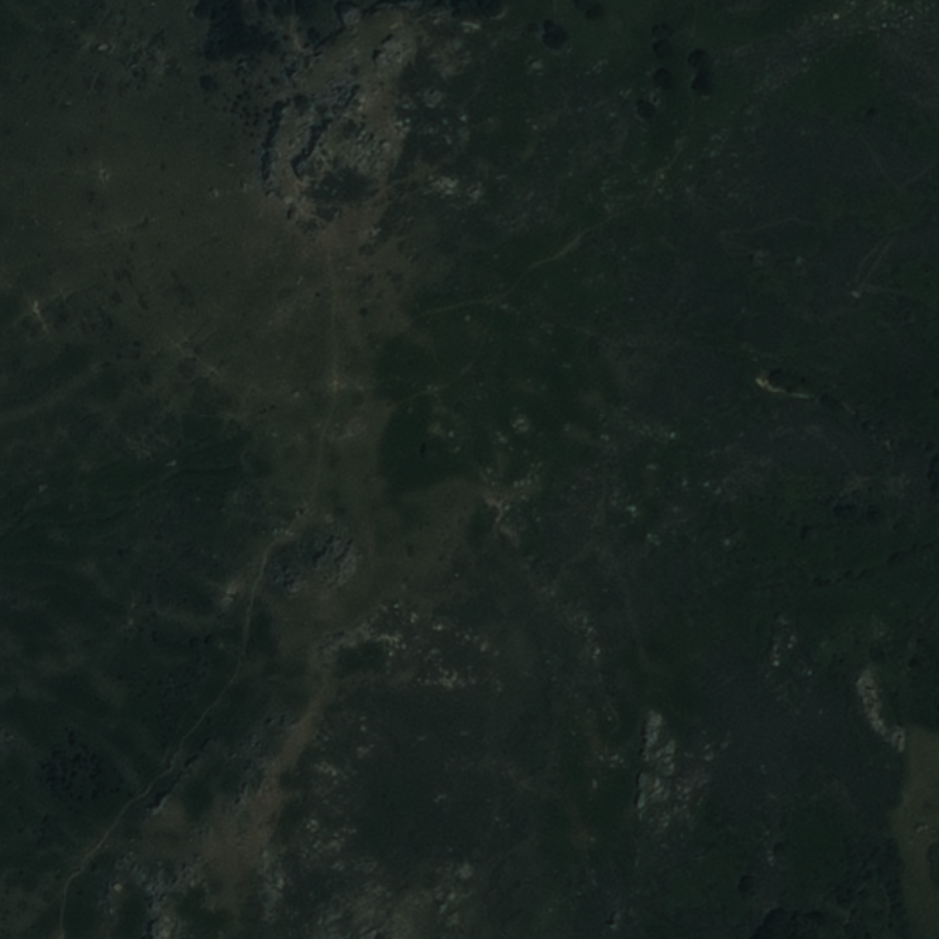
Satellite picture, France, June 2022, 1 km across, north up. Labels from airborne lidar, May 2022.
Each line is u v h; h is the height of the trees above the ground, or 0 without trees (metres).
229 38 15
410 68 0
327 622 0
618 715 0
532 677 0
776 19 0
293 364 0
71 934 0
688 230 0
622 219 0
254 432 0
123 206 0
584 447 0
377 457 0
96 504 0
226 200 0
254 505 0
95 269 0
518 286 0
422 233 0
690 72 0
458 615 0
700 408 0
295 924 0
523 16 0
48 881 0
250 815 0
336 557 0
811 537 15
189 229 0
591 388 0
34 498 0
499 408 0
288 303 0
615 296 0
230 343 0
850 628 0
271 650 0
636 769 0
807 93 0
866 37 0
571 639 0
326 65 0
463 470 0
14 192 0
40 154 0
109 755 0
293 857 0
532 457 0
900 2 0
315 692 0
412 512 0
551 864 0
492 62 0
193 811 0
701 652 0
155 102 0
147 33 0
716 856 0
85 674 0
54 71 0
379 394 0
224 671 0
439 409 0
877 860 9
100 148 0
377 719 0
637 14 0
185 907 0
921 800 0
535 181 0
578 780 0
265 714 0
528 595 0
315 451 0
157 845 0
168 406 0
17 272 0
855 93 0
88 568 0
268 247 0
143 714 0
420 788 0
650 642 0
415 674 0
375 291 0
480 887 0
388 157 0
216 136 0
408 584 0
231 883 0
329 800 0
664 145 0
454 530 0
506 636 0
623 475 0
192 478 0
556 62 0
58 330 0
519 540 0
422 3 20
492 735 0
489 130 0
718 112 0
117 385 0
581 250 0
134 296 0
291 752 0
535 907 0
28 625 0
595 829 0
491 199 0
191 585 0
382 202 0
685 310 0
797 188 0
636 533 0
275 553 0
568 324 0
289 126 0
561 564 0
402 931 0
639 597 0
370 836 0
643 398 0
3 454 0
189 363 0
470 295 0
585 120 0
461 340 0
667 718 0
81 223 0
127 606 0
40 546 0
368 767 0
